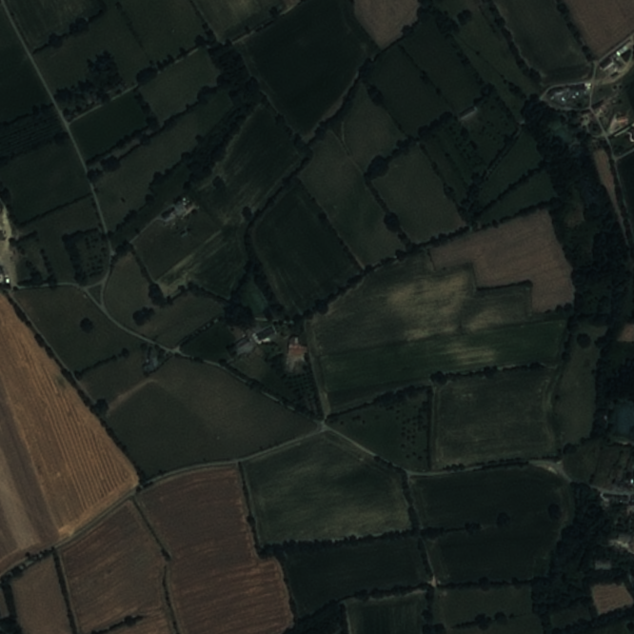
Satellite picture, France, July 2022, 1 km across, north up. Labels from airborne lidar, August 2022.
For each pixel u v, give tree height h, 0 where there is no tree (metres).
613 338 13
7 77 0
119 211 0
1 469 0
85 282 16
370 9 0
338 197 0
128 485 0
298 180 7
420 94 0
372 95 17
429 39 0
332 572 0
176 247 0
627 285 8
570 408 0
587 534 26
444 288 0
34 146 8
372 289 0
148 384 0
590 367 0
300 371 0
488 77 0
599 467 0
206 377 0
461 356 0
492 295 0
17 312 8
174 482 0
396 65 0
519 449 0
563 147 24
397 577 0
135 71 0
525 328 0
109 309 0
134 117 0
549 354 0
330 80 0
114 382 0
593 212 11
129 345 0
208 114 0
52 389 0
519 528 0
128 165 0
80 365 0
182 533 0
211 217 0
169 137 0
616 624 17
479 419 0
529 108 14
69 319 0
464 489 0
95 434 0
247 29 10
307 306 0
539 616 11
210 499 0
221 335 0
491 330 0
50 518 0
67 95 20
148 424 0
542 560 0
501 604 0
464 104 0
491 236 0
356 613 0
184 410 0
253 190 0
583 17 0
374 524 0
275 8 0
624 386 21
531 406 0
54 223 0
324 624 6
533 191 0
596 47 0
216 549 0
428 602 10
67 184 0
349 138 0
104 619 0
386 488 0
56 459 0
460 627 7
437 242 14
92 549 0
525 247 0
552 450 0
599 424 9
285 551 19
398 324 0
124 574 0
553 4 0
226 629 0
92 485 0
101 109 0
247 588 0
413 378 0
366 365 0
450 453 0
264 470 0
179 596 0
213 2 0
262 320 0
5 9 0
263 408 0
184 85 0
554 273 0
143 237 0
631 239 11
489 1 16
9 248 0
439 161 0
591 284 9
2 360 0
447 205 0
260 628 0
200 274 0
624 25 0
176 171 7
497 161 7
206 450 0
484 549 0
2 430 0
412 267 0
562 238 12
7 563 0
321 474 0
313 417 12
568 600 11
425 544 10
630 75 0
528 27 0
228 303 8
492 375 16
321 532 0
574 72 0
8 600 13
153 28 0
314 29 0
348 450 0
